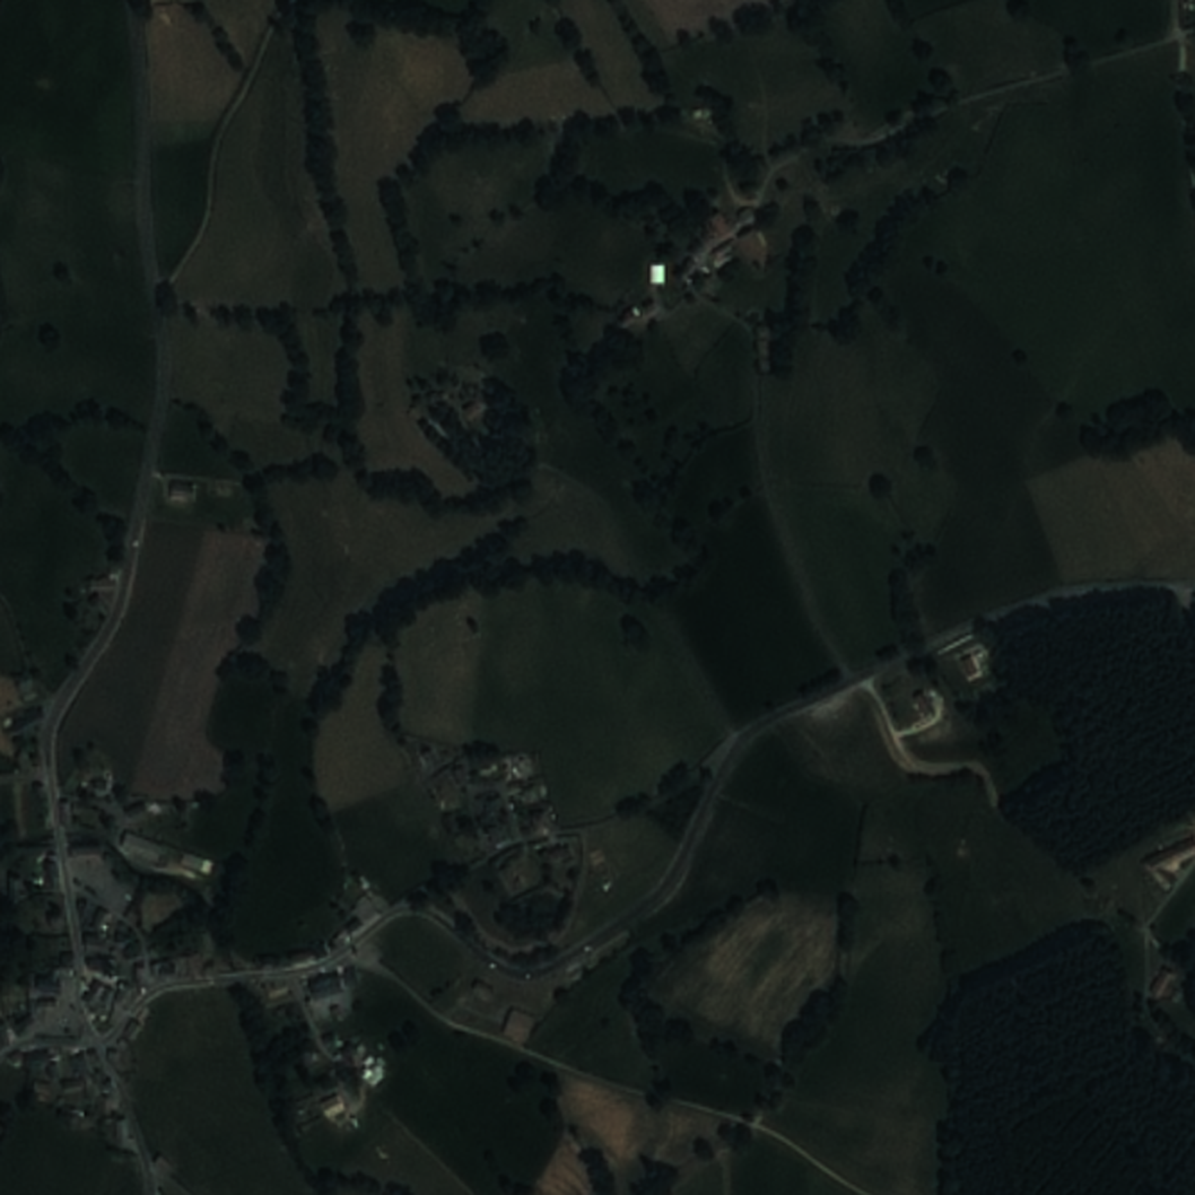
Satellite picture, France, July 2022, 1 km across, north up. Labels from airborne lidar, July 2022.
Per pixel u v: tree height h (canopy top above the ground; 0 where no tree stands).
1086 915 0
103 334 0
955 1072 18
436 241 0
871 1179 0
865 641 0
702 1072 0
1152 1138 25
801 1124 0
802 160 0
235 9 0
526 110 0
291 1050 11
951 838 0
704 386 0
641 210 13
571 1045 0
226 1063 0
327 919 0
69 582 0
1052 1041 25
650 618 0
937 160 0
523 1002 0
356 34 14
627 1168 0
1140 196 0
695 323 0
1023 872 0
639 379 0
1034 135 0
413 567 0
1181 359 0
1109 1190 6
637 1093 0
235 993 13
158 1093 0
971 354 0
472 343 0
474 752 13
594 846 0
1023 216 0
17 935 22
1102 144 0
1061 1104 8
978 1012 23
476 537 0
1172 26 0
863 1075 0
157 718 0
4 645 0
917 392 0
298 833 0
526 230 0
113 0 0
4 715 0
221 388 0
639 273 0
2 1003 0
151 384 0
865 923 0
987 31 0
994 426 0
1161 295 0
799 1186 0
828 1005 17
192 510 0
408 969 0
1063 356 0
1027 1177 7
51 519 0
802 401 0
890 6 11
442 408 10
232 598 0
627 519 0
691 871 0
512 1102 0
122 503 0
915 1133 0
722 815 0
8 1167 0
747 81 0
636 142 0
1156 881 0
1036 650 25
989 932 0
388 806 0
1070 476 0
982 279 0
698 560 20
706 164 0
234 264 0
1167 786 26
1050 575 0
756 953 0
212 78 0
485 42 19
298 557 0
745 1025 0
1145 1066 26
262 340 0
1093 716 26
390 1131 0
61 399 0
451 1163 0
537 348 0
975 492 0
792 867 0
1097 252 0
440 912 0
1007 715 21
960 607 0
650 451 0
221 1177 0
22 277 0
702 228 7
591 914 0
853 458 0
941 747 0
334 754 0
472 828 17
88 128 0
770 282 0
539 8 0
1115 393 0
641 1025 15
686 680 0
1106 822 26
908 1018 0
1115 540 0
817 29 11
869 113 0
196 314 17
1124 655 30
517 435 25
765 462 0
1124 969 18
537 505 0
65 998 0
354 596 0
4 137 0
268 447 0
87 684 0
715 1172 0
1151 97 0
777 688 0
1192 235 0
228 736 0
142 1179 0
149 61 0
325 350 0
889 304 13
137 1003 0
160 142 0
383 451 0
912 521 0
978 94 0
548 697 0
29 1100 15
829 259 0
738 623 0
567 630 0
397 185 13
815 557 0
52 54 0
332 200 17
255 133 0
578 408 24
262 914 0
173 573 0
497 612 0
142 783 0
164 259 0
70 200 0
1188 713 24
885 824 0
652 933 0
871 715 0
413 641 0
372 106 0
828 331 6
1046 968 21
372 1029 0
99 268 0
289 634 0
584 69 17
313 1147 0
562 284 8
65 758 0
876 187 0
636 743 0
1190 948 16
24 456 21
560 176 19
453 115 21
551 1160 0
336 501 0
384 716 17
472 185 0
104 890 0
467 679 0
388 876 0
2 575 0
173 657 0
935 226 0
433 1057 0
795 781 0
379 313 17
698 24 0
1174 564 0
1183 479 0
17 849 15
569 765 0
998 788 0
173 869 0
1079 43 8
